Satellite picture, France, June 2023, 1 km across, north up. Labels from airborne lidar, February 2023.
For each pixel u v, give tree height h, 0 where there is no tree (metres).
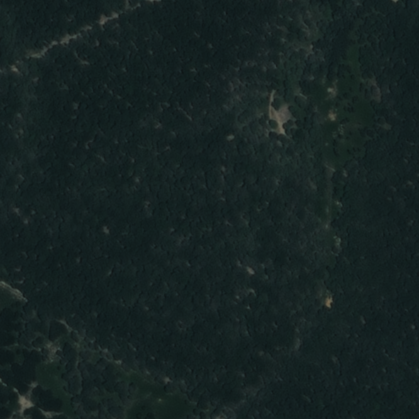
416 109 27
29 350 20
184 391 22
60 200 25
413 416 25
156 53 25
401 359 27
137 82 23
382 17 13
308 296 18
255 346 24
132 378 0
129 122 22
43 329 24
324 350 22
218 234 26
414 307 24
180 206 24
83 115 20
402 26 25
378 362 26
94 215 24
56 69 24
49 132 23
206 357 26
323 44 22
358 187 21
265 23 23
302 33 19
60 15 26
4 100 15
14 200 26
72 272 24
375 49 14
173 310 28
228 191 27
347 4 20
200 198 27
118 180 24
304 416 24
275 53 23
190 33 22
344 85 0
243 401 22
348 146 0
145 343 26
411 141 24
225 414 20
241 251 25
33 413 7
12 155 25
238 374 23
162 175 23
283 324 24
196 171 27
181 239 26
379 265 22
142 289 29
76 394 23
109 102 21
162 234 26
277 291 22
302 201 22
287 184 24
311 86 22
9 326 9
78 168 25
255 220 26
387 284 24
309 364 21
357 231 22
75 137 26
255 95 20
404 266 26
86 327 19
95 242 25
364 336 23
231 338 30
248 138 25
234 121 22
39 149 15
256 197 27
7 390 9
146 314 28
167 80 29
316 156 14
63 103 22
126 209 25
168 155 27
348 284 22
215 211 26
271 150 24
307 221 22
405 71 22
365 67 13
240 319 27
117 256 28
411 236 24
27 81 21
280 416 23
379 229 23
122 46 23
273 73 20
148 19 24
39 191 27
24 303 0
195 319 29
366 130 11
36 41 27
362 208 20
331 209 0
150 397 0
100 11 25
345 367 25
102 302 27
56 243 28
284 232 22
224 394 26
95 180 24
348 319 21
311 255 22
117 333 27
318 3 13
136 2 25
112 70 23
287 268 24
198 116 23
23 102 23
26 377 15
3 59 28
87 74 20
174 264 28
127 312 27
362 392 25
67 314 23
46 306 23
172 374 28
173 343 32
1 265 24
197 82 22
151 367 25
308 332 15
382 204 21
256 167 25
